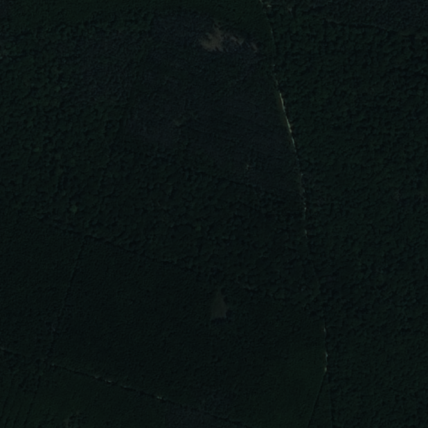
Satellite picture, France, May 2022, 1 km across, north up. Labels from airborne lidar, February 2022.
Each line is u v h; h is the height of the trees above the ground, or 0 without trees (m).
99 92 25
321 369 14
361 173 27
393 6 22
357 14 21
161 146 16
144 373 21
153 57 18
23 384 21
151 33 23
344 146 26
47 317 21
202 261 31
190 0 15
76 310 19
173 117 16
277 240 30
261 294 20
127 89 23
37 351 22
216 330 21
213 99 18
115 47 27
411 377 21
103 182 23
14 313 23
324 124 25
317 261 27
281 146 18
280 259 30
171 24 20
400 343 18
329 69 14
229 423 20
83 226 20
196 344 22
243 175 10
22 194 24
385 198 25
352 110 26
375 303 26
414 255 27
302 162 22
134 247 23
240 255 28
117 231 27
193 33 20
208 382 19
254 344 20
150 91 14
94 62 23
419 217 25
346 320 21
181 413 20
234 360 17
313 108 25
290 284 26
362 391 22
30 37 27
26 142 26
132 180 29
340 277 29
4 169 24
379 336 20
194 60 17
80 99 25
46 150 24
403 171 24
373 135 28
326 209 18
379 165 26
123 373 19
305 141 24
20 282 22
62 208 28
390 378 20
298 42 23
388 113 23
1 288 18
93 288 19
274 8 24
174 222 31
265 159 17
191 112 8
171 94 18
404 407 25
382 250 21
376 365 19
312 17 23
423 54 24
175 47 17
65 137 32
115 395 16
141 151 18
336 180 20
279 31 20
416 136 24
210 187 20
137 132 19
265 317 20
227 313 0
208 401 15
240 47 24
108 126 23
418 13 24
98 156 27
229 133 17
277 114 14
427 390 19
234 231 30
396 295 27
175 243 28
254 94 14
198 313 22
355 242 28
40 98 27
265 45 18
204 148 18
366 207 20
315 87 18
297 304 21
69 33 16
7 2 22
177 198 29
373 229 27
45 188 27
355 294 29
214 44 0
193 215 30
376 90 24
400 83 21
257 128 19
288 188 13
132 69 24
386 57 29
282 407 16
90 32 24
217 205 26
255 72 15
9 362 18
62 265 17
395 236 27
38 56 29
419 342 20
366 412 23
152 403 19
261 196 21
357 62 24
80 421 8
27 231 19
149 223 29
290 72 27
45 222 22
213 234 29
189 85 17
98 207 23
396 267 25
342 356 20
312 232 23
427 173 26
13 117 25
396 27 23
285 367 15
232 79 20
